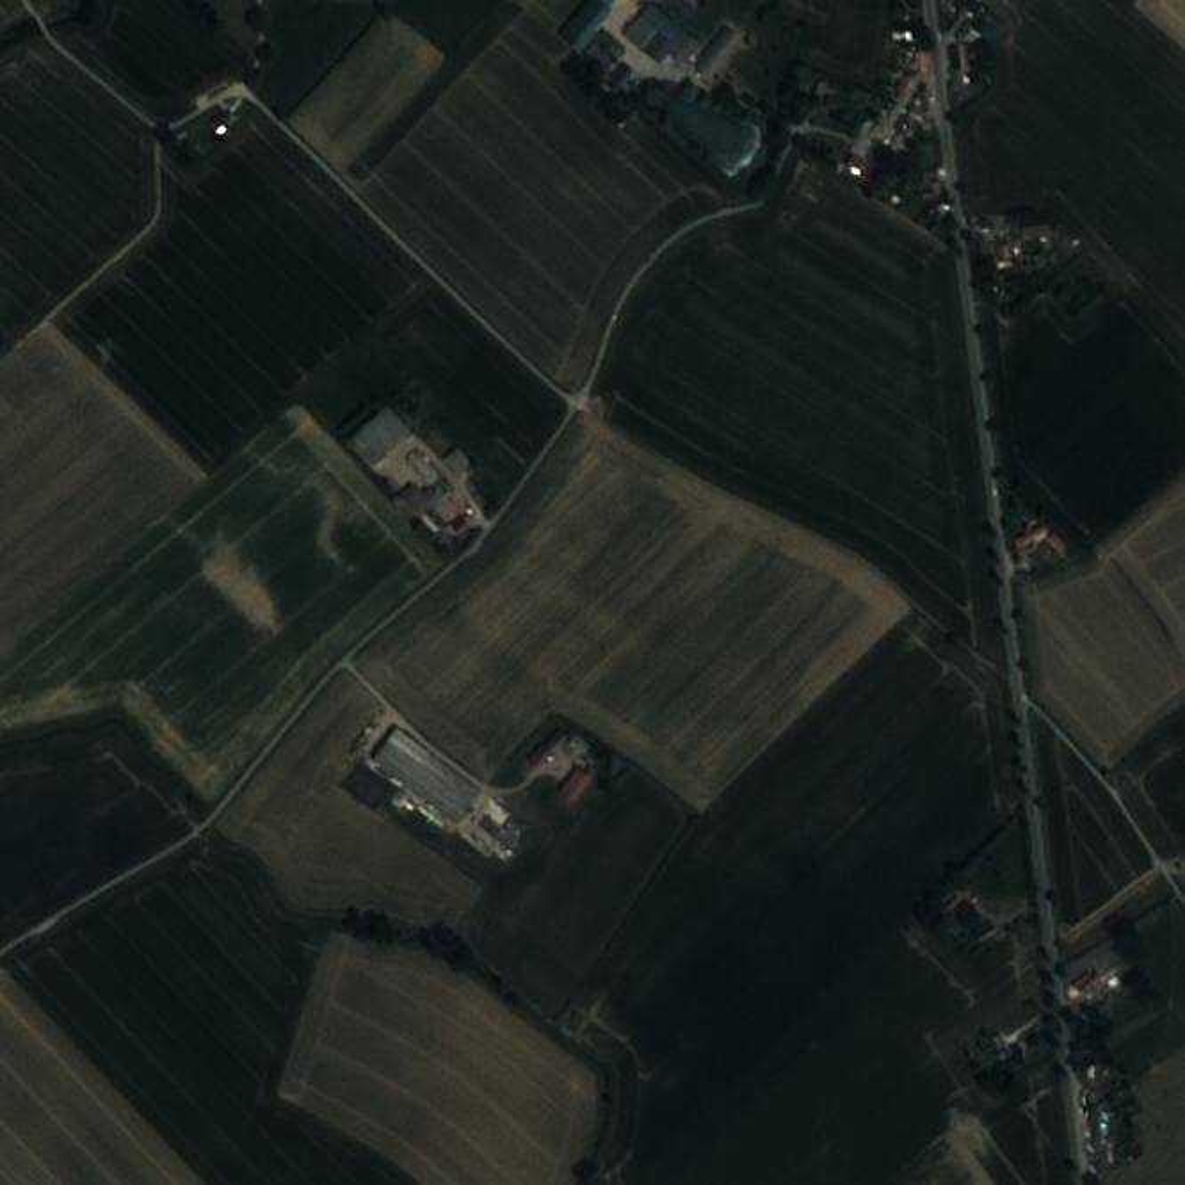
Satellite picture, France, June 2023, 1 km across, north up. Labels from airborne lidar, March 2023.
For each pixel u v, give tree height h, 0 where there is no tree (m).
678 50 0
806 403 0
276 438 0
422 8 0
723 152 0
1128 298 0
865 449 0
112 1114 0
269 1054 0
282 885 0
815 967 0
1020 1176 0
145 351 0
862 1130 0
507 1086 0
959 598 0
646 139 0
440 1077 0
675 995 0
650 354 0
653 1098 0
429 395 0
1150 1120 0
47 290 0
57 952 0
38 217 0
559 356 0
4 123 0
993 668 0
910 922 0
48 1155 0
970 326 0
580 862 0
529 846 0
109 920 0
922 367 0
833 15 0
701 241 0
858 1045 0
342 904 0
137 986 0
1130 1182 0
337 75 0
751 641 0
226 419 0
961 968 0
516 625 0
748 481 0
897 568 0
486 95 0
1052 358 0
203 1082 0
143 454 0
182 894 0
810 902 0
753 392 0
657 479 0
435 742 0
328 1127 0
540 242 0
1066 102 0
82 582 0
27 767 0
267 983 0
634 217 0
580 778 0
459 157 0
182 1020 0
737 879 0
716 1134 0
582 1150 0
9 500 0
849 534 0
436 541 10
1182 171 0
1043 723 0
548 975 0
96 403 0
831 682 0
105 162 0
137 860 0
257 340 0
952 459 0
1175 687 0
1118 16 0
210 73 0
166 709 0
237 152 0
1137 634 0
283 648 0
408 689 0
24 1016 0
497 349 0
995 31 0
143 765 0
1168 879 0
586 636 0
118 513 0
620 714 0
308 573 0
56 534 0
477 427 0
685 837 0
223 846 0
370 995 0
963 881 12
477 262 0
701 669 0
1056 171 0
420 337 0
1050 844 0
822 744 0
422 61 0
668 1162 0
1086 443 0
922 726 0
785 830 0
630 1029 0
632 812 0
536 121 0
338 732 0
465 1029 0
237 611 0
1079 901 0
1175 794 0
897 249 0
